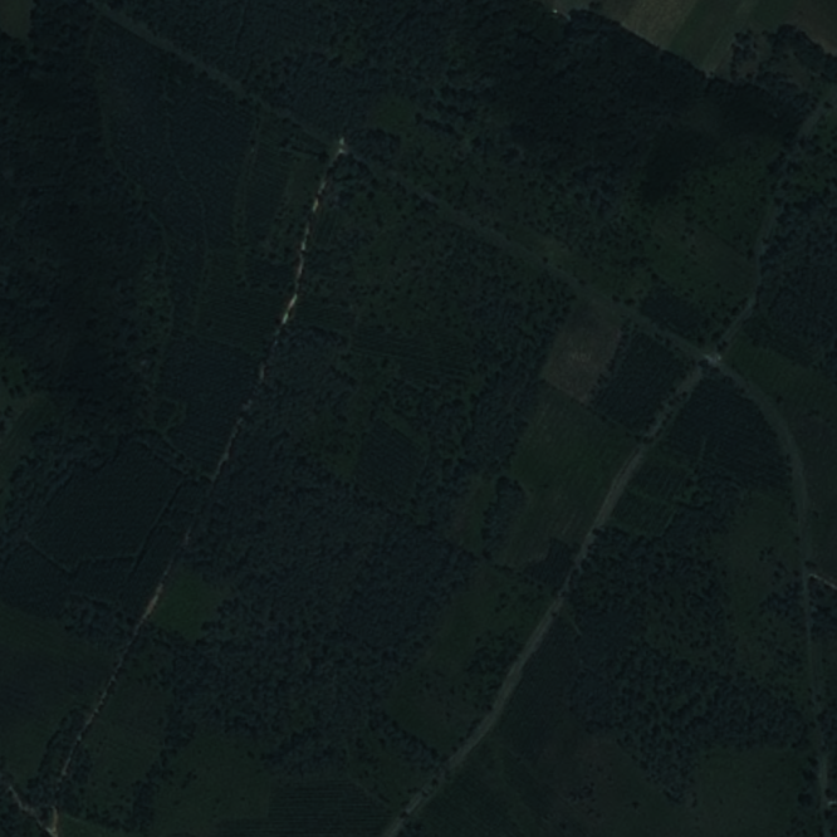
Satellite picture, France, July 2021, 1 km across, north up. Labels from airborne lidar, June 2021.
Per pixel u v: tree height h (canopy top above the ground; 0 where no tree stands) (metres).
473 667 8
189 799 0
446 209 0
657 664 16
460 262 7
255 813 0
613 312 0
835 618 20
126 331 8
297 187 0
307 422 25
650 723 18
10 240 23
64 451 16
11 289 17
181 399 7
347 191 7
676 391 13
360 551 25
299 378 25
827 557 0
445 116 22
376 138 20
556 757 0
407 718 0
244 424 12
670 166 8
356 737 23
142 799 11
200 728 18
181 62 8
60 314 21
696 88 21
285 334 24
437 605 25
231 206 6
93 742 0
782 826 0
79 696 0
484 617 0
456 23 19
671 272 0
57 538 13
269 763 24
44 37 19
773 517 0
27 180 19
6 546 13
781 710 18
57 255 23
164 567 12
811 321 16
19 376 0
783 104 12
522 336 11
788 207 9
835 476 0
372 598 18
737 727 18
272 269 7
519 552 0
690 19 0
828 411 0
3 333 15
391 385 8
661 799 0
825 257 27
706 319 6
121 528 14
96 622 15
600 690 11
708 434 6
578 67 26
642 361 7
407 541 14
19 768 0
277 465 12
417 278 14
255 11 16
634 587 20
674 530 10
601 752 0
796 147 21
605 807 0
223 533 16
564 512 0
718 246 0
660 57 19
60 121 14
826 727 16
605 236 9
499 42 17
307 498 26
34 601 12
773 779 0
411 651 23
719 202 6
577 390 0
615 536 16
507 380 15
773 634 8
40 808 21
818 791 22
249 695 24
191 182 7
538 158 16
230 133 8
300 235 9
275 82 16
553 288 8
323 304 7
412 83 9
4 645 0
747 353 0
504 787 0
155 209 6
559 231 8
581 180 23
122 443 19
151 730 0
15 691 0
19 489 12
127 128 7
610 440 0
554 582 9
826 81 9
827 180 9
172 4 15
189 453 7
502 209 8
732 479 13
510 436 11
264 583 21
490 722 0
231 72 13
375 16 8
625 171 27
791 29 17
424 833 17
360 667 24
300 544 23
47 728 0
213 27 16
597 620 11
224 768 0
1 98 22
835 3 0
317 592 18
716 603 19
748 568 0
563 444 0
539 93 17
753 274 0
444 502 16
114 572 15
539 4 8
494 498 0
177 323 7
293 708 24
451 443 8
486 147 24
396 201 7
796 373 0
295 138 6
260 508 12
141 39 7
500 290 7
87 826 0
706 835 0
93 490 16
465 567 14
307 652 27
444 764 13
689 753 15
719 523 9
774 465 7
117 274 14
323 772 24
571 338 0
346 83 16
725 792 0
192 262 6
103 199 16
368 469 6
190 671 16
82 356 16
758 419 7
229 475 15
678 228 0
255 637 23
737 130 6
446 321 7
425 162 7
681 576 18
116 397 25
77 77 24
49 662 0
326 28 16
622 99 18
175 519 13
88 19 19
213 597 0
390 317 7
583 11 10
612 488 0
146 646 12
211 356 7
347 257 8
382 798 7
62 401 22
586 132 19
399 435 6
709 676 12
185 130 8
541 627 0
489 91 21
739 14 0
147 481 17
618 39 25
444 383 9
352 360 12
